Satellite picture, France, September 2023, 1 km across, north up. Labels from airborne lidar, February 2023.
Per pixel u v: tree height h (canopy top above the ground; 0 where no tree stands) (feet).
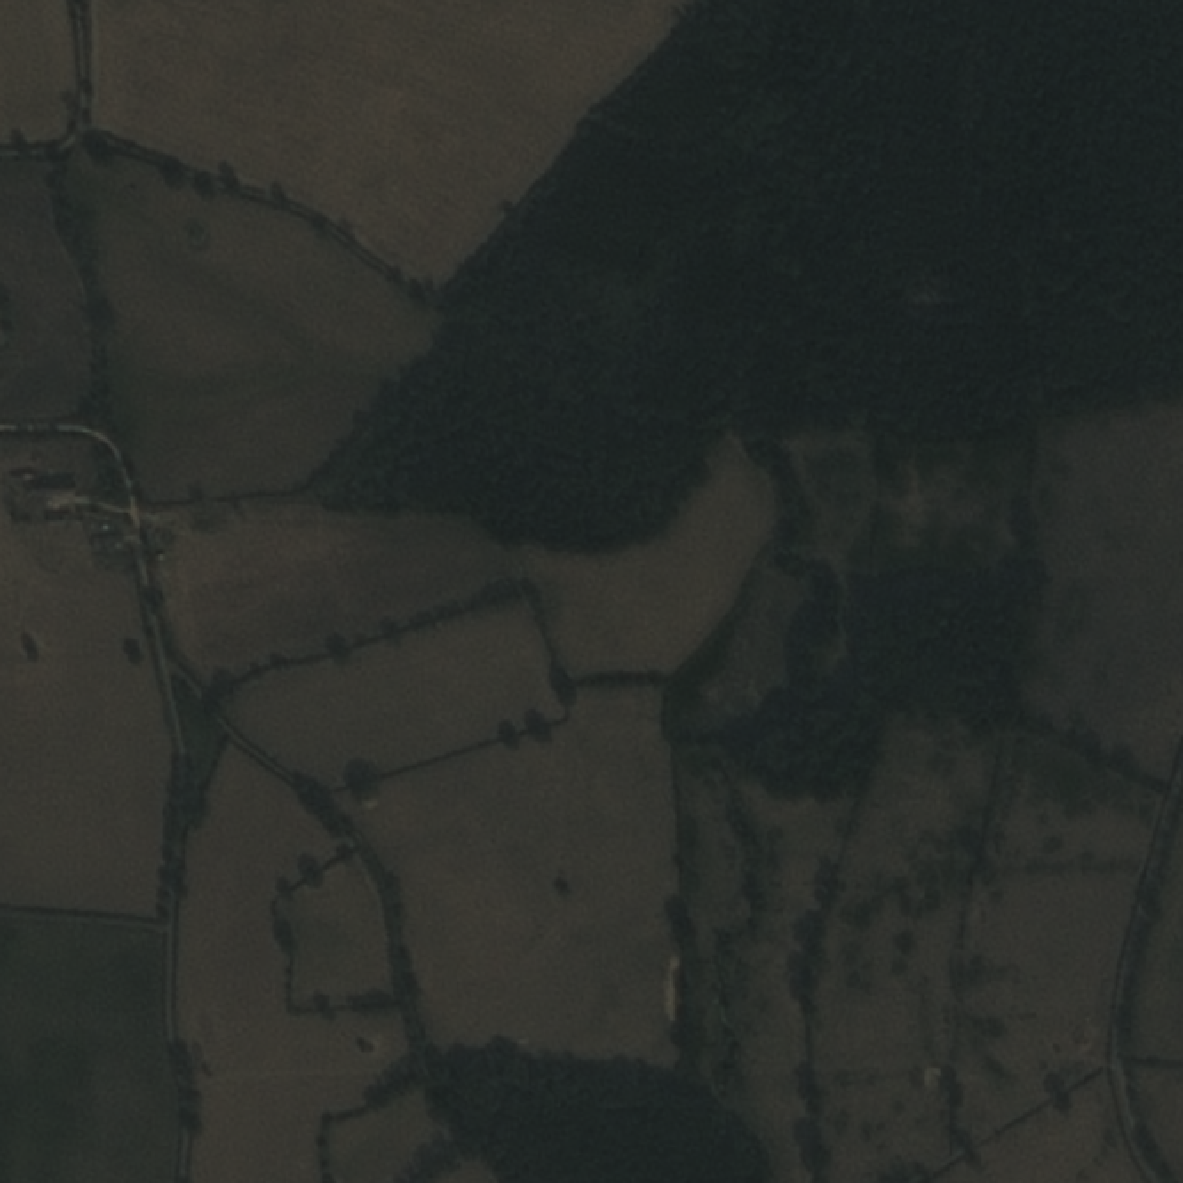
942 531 0
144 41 0
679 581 0
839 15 45
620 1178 72
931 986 0
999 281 51
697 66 46
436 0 0
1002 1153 0
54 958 0
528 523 23
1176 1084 0
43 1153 0
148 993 0
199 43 0
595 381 41
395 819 0
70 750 0
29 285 0
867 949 0
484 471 79
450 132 0
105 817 0
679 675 0
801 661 77
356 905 0
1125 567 0
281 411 0
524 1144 54
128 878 0
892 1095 0
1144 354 31
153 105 0
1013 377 44
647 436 84
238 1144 0
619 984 0
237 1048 0
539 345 59
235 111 0
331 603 0
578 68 0
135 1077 0
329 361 0
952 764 0
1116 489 0
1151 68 57
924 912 0
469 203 0
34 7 0
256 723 0
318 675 0
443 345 58
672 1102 69
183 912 0
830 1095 0
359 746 0
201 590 0
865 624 90
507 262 55
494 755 0
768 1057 0
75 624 0
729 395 78
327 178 0
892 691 76
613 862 0
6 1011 0
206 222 0
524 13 0
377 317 0
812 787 75
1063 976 0
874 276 52
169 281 0
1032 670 0
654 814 0
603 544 58
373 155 0
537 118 0
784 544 52
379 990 0
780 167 75
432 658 0
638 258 31
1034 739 0
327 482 30
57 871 0
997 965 0
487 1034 0
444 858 0
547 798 0
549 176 23
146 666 0
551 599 0
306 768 0
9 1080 0
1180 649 0
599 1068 29
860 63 67
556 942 0
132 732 0
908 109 40
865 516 0
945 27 77
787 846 0
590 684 24
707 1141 75
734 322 55
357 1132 0
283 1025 0
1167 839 40
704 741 25
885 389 50
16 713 0
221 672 0
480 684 0
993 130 86
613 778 0
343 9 0
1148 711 0
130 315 0
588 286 25
